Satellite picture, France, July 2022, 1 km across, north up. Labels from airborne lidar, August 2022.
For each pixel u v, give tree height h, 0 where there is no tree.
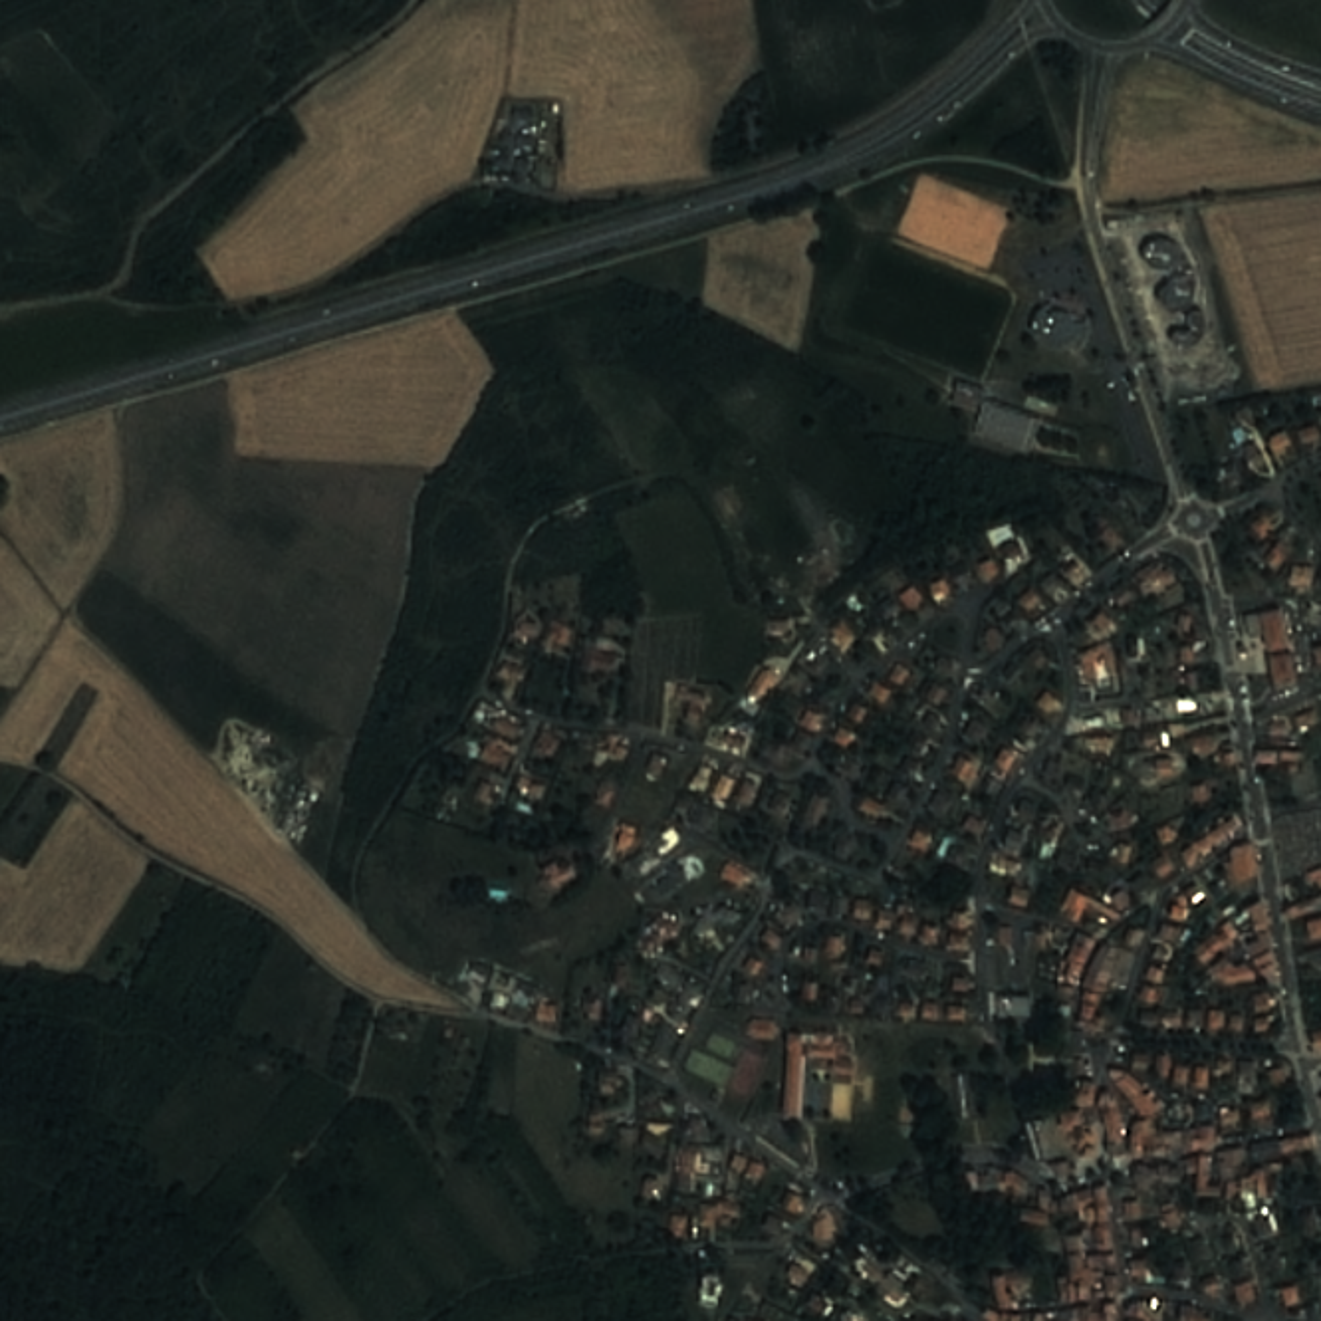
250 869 0
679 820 9
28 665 0
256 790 0
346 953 0
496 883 0
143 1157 10
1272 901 0
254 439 0
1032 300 0
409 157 0
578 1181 0
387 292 0
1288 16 0
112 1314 7
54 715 0
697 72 0
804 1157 0
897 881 9
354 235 0
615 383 0
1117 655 7
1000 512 10
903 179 0
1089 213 0
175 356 0
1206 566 0
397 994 0
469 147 0
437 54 0
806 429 10
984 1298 11
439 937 0
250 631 0
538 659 6
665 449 0
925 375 0
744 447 0
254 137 7
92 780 0
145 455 0
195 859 0
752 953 6
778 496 0
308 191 0
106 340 0
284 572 0
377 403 0
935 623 0
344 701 0
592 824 0
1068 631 10
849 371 0
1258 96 0
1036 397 8
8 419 0
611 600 6
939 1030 0
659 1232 12
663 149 0
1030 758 0
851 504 0
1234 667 0
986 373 0
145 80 0
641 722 0
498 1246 0
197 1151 0
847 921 8
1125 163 0
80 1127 8
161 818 0
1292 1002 0
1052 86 0
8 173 0
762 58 0
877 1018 8
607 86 0
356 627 0
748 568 0
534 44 0
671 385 0
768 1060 0
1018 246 0
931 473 7
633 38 0
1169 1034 7
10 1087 12
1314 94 0
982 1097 10
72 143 0
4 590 0
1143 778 0
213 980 6
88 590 0
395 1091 0
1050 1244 0
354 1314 0
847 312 0
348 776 6
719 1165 0
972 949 0
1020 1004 0
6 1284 9
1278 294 0
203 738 0
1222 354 0
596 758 0
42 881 0
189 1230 10
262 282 0
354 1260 8
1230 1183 0
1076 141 0
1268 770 8
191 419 0
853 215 0
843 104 0
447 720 8
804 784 7
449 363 0
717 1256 13
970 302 0
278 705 0
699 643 0
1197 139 0
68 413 0
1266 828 0
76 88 0
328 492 0
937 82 0
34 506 0
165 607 0
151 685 0
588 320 0
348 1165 7
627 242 0
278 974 0
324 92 0
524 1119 0
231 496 0
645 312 7
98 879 0
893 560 11
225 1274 9
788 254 0
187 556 0
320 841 0
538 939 0
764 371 0
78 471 0
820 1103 0
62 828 0
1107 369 0
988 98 0
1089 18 0
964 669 0
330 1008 0
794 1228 0
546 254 0
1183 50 0
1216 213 0
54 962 0
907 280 0
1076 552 8
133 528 0
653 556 0
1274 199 0
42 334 0
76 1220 10
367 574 0
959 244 0
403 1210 0
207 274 6
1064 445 12
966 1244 13
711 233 0
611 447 0
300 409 0
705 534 0
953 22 0
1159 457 0
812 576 0
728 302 0
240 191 6
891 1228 9
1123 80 0
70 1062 11
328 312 0
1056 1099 26
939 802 0
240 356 0
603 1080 0
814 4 0
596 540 6
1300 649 0
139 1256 9
